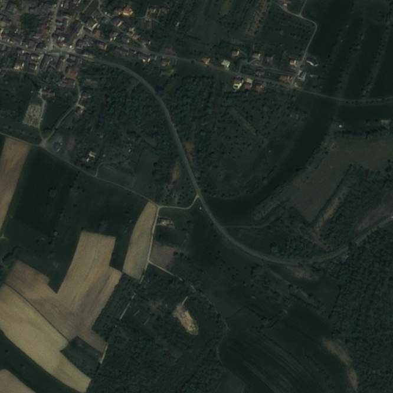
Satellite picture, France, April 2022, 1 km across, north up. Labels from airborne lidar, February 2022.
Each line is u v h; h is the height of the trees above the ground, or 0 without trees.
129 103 21
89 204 0
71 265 0
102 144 0
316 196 0
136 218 0
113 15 0
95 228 0
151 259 0
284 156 0
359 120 0
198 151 9
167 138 6
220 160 0
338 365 0
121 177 0
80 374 0
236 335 0
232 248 0
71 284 0
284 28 0
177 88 0
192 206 0
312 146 0
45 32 0
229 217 0
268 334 0
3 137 0
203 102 6
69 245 0
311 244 12
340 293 7
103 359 0
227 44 6
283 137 0
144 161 0
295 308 0
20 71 0
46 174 0
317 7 0
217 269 0
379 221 0
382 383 12
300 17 0
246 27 0
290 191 0
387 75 0
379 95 0
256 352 0
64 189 0
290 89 0
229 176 0
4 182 0
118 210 0
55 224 0
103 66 6
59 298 0
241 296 0
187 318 0
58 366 0
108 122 22
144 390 19
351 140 20
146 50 0
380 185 30
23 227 0
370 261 24
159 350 22
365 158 0
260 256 0
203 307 27
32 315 0
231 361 0
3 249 0
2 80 0
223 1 0
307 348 0
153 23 0
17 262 0
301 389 0
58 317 0
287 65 0
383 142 0
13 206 0
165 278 0
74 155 0
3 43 0
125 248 0
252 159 0
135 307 15
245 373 0
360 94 0
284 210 0
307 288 0
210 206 0
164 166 8
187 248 0
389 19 8
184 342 27
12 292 0
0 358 0
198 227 0
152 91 0
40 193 0
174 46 0
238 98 8
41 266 0
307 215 0
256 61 0
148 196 0
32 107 0
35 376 0
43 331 0
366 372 16
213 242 0
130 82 12
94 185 0
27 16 7
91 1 0
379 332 26
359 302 28
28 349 0
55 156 0
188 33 0
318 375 0
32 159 0
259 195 0
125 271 0
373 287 19
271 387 0
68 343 0
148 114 9
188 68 0
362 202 25
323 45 0
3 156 0
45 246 0
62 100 7
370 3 0
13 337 0
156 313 0
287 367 0
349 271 10
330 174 0
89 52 8
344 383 0
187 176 0
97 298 0
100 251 0
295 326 0
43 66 0
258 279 22
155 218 0
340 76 6
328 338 0
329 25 0
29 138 0
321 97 0
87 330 0
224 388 0
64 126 0
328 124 0
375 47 0
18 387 0
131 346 0
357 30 0
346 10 0
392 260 28
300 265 0
